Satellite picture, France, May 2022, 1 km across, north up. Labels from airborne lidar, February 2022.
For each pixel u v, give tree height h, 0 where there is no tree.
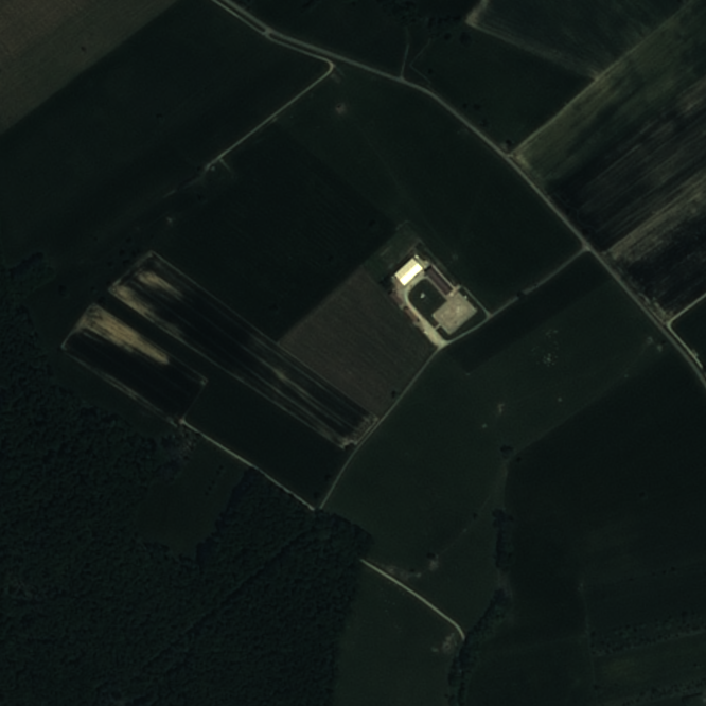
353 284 0
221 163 0
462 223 0
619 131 0
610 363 0
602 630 0
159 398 0
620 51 0
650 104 0
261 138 0
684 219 0
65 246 0
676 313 0
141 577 21
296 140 0
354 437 0
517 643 0
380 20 0
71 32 0
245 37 0
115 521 24
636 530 0
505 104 0
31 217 0
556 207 0
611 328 0
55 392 23
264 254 0
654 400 0
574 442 0
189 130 0
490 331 0
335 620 23
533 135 0
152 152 0
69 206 0
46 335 0
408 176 0
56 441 24
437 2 0
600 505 0
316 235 0
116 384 0
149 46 0
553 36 0
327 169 0
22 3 0
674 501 0
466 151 0
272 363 0
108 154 0
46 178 0
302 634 22
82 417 17
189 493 0
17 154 0
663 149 0
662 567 0
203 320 0
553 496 0
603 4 0
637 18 0
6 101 0
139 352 0
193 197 0
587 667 0
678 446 0
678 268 0
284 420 0
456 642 0
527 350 0
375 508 0
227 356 0
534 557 0
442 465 0
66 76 0
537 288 0
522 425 0
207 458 0
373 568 0
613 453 0
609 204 0
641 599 0
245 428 0
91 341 0
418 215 0
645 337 0
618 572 0
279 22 0
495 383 0
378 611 0
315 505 0
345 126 0
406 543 0
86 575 23
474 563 0
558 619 0
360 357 0
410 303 0
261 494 21
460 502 0
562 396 0
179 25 0
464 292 0
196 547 0
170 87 0
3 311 19
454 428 0
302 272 0
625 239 0
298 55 0
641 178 0
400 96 0
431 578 0
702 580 0
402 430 0
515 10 0
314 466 0
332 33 0
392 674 0
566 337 0
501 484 0
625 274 0
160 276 0
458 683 11
